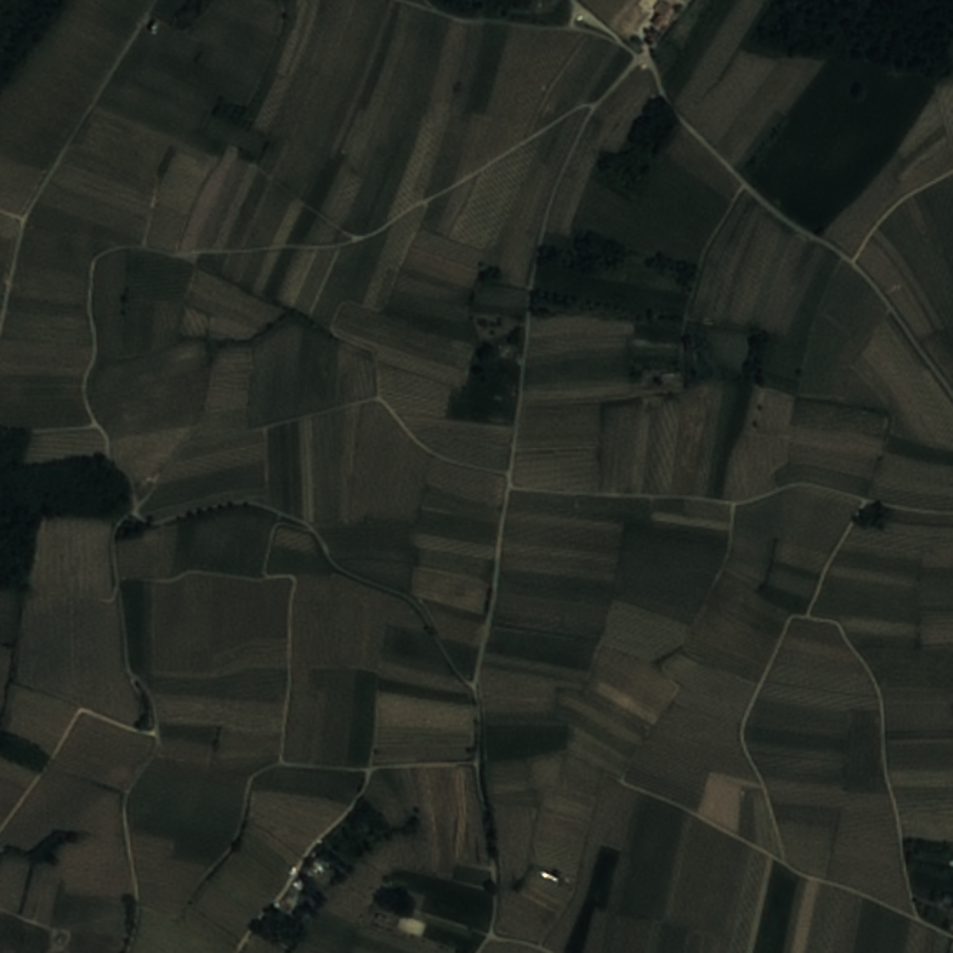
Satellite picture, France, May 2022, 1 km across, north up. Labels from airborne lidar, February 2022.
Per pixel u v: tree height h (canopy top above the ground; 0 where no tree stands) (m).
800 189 0
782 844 0
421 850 0
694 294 0
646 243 0
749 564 0
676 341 0
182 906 0
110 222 0
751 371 10
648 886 0
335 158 0
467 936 0
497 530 0
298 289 0
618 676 0
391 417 0
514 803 0
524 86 0
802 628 0
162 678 0
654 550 0
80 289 0
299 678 0
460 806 0
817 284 0
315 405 0
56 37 0
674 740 0
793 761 0
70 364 0
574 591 0
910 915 0
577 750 0
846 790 0
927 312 0
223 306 0
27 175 0
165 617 0
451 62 0
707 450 0
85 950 0
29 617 0
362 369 0
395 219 0
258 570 0
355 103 0
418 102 0
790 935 0
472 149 0
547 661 0
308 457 0
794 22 31
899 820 0
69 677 0
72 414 0
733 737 0
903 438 0
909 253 0
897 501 0
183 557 0
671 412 0
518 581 0
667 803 0
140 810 0
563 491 0
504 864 0
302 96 0
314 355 0
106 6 0
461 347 0
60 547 0
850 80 0
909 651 0
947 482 0
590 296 0
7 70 10
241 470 0
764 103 0
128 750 0
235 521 0
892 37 7
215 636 0
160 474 0
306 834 0
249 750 0
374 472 0
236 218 0
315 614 0
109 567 0
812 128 0
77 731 0
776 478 0
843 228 0
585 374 0
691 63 0
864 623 0
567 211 0
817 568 0
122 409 0
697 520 0
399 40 0
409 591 0
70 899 0
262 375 0
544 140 0
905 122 0
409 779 0
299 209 0
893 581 0
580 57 0
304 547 0
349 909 0
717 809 0
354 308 0
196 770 0
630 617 0
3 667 0
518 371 0
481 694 0
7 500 16
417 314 0
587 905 0
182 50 0
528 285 0
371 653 0
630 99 0
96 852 0
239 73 0
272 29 0
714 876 0
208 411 0
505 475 0
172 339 0
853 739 0
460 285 0
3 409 0
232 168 0
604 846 0
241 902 0
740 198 0
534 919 0
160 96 0
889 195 0
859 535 0
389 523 0
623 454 0
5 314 0
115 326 0
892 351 0
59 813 0
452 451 0
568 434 0
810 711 0
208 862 0
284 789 0
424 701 0
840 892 0
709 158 0
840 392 0
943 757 0
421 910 0
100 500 7
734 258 0
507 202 0
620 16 0
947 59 13
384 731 0
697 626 0
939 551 0
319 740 0
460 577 0
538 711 0
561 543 0
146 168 0
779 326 0
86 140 0
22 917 0
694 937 0
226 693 0
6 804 0
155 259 0
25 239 0
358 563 0
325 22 0
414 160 0
